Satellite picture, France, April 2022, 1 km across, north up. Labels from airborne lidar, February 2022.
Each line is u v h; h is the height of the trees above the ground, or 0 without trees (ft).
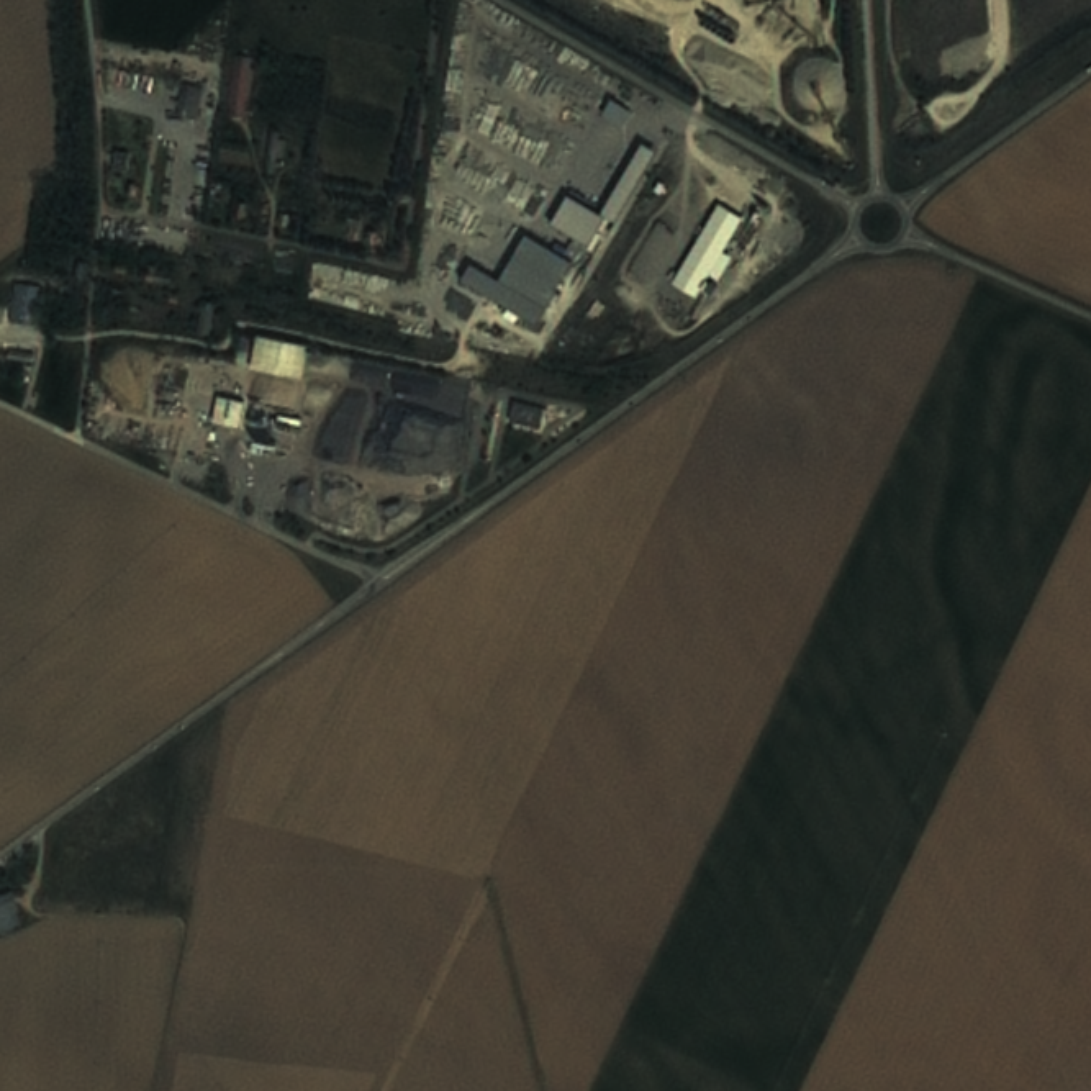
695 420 0
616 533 0
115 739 0
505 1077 0
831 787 0
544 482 0
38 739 0
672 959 0
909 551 0
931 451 0
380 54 0
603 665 0
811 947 0
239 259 0
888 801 0
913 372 0
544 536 0
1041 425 0
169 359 0
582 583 0
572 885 0
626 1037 0
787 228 0
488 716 0
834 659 0
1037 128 0
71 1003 0
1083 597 0
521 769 0
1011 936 0
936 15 0
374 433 0
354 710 0
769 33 0
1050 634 0
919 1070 0
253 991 0
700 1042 0
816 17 0
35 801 0
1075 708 0
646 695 0
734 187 0
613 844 0
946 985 0
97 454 0
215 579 0
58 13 45
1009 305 0
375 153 0
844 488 0
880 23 0
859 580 0
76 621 0
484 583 0
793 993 0
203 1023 0
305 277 0
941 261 0
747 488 0
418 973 0
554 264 0
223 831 0
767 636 0
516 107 0
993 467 0
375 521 0
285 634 0
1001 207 0
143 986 0
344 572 0
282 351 0
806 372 0
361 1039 0
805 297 0
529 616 0
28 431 0
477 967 0
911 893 0
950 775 0
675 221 0
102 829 0
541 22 0
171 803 0
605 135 0
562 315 0
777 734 0
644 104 0
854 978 0
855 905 0
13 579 0
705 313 0
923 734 0
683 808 0
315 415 0
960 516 0
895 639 0
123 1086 0
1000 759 0
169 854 0
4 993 0
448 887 0
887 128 0
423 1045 0
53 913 0
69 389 0
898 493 0
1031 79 0
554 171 0
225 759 0
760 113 0
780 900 0
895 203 0
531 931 0
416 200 0
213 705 0
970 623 0
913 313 0
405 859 0
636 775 0
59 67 45
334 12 0
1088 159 0
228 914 0
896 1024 0
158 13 0
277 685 0
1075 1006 0
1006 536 0
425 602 0
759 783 0
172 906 0
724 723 0
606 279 0
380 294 0
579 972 0
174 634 0
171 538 0
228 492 0
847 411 0
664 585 0
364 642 0
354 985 0
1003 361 0
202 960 0
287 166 0
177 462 0
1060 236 0
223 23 0
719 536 0
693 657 0
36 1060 0
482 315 0
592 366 0
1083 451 0
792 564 0
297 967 0
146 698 0
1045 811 0
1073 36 0
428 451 0
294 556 0
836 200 0
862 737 0
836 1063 0
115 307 24
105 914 0
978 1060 0
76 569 0
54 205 42
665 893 0
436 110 0
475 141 0
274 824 0
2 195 0
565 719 0
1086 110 0
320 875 0
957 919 0
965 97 0
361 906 0
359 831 0
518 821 0
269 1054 0
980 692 0
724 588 0
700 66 0
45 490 0
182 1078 0
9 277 0
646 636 0
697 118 0
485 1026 0
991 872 0
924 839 0
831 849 0
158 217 0
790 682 0
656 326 0
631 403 0
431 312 0
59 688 0
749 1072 0
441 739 0
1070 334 0
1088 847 0
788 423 0
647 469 0
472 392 0
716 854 0
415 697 0
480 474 0
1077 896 0
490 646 0
